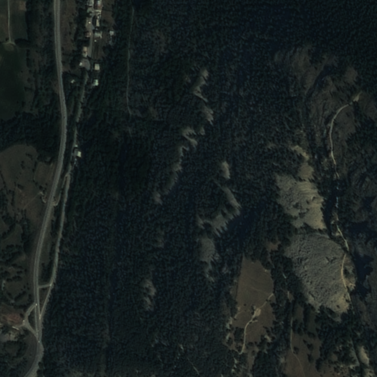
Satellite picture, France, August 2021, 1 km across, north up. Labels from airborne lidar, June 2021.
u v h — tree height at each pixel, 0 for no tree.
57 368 15
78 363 12
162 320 15
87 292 10
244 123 14
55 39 0
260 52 10
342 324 6
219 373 13
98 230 15
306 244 0
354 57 15
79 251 8
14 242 0
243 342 7
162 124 14
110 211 17
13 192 6
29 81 8
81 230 9
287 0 12
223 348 10
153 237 10
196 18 24
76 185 12
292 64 0
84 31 10
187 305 9
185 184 14
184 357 15
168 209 15
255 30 14
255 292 0
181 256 11
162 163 12
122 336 14
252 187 10
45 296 0
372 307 0
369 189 0
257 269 0
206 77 0
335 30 12
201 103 15
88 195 9
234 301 8
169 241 12
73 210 11
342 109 0
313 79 0
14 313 0
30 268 0
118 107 8
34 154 0
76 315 9
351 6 15
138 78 11
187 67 10
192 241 8
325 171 9
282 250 9
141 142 13
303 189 0
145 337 12
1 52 0
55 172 0
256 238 16
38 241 0
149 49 9
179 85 15
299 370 0
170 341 12
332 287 0
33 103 6
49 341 6
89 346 11
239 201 13
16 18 0
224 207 13
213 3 17
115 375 10
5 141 9
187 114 15
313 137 7
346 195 15
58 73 0
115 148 15
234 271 8
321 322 7
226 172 0
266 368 15
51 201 0
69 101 14
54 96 14
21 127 15
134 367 11
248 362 0
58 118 9
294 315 7
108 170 19
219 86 10
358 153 8
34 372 0
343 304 0
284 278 10
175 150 14
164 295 13
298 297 18
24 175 0
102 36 0
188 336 9
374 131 20
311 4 15
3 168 0
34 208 0
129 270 19
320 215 0
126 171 21
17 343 13
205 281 12
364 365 9
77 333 11
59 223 10
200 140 7
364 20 13
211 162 11
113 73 20
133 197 15
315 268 0
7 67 0
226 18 14
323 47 11
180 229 16
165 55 7
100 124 18
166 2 9
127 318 15
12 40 0
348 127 0
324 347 9
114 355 19
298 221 0
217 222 0
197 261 7
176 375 9
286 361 0
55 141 13
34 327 0
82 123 7
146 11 16
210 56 11
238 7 19
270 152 10
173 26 10
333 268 0
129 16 10
